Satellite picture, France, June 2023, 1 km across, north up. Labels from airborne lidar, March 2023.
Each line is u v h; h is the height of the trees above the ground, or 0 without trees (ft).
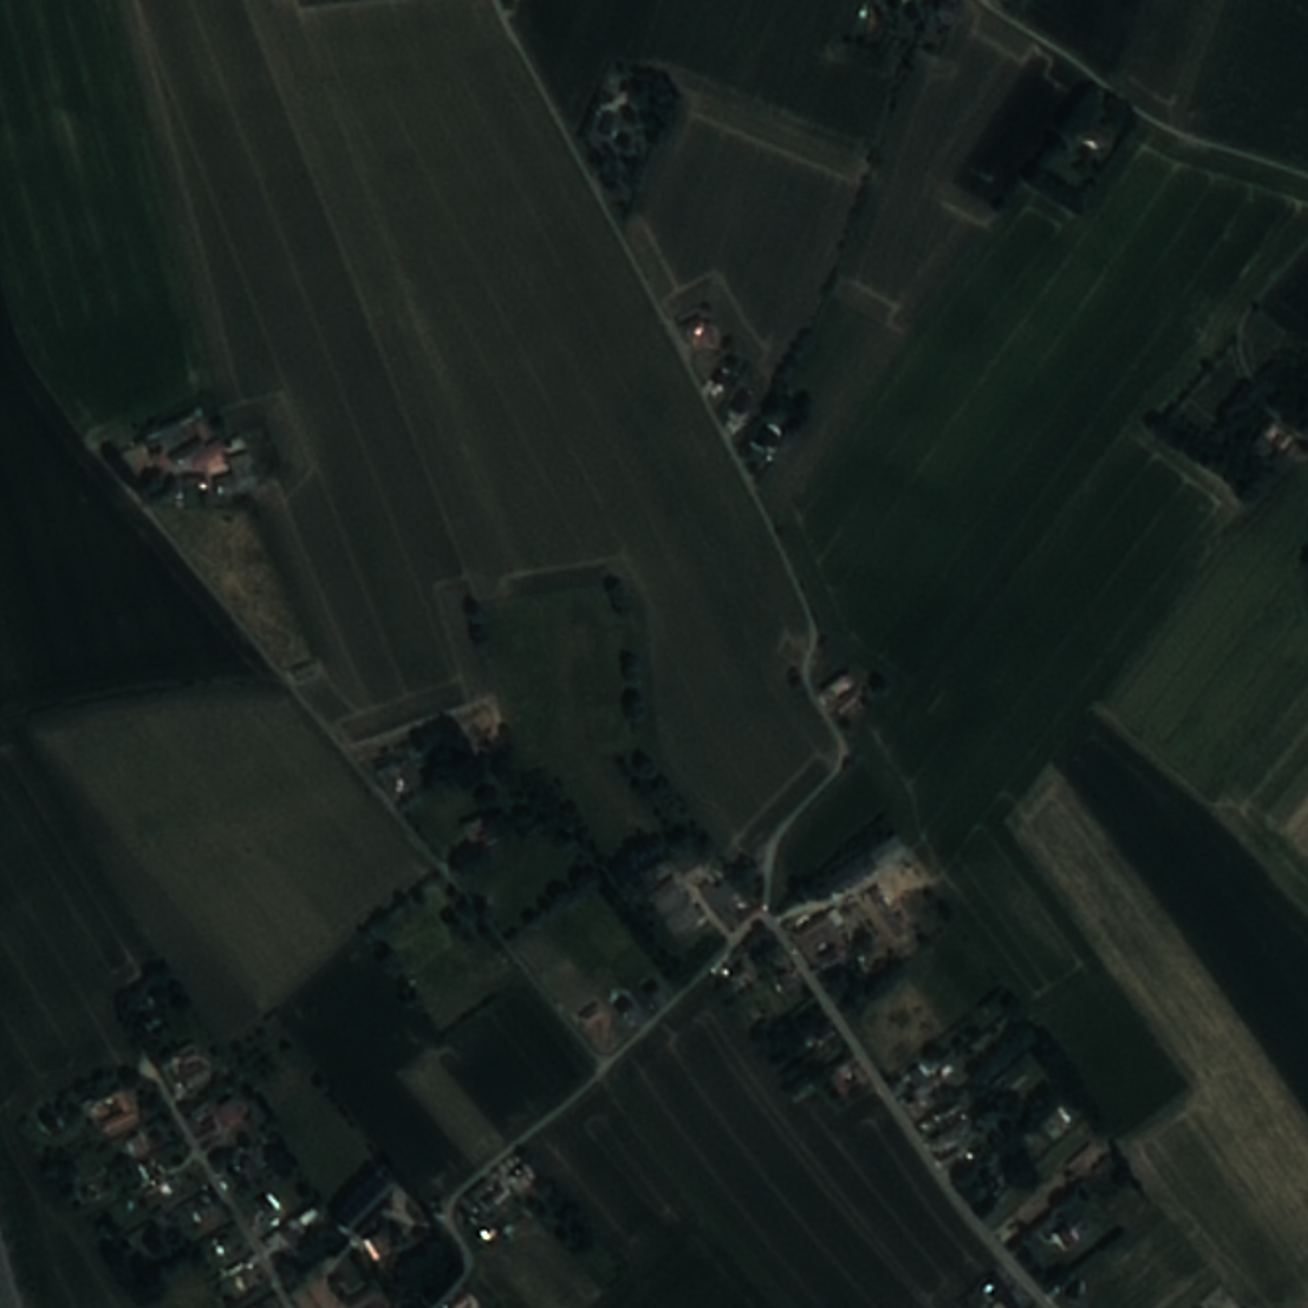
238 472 0
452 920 58
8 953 0
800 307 0
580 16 0
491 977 0
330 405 0
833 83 0
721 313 0
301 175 0
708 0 0
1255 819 0
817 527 0
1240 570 0
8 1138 0
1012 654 0
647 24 0
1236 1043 0
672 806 38
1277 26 0
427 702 0
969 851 0
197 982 0
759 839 0
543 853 0
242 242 0
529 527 0
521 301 0
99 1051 0
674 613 0
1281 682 0
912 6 31
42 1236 0
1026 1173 78
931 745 0
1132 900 0
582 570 0
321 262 0
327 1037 0
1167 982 0
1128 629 0
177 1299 0
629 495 0
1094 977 0
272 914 0
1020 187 0
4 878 0
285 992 0
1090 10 0
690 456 0
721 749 0
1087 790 0
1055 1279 49
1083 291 0
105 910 0
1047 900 0
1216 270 0
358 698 0
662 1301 0
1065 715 0
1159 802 0
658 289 0
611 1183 0
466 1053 0
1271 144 0
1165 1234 0
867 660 0
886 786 0
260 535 0
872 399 0
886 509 0
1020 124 0
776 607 0
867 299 0
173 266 0
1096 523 0
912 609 0
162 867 0
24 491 0
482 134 0
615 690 0
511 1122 0
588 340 0
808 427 0
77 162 0
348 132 0
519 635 0
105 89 0
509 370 0
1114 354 0
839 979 54
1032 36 0
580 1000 0
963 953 0
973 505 0
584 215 0
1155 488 0
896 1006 0
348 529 0
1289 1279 0
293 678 0
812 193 0
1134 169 0
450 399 0
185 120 0
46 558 0
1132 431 0
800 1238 0
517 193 0
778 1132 0
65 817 0
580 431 0
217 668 0
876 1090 0
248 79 0
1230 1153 0
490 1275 0
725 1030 0
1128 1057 0
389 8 0
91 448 0
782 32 0
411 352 0
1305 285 0
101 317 0
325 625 0
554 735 0
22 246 0
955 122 0
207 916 0
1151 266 0
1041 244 0
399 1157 0
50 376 0
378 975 0
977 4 0
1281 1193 0
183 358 0
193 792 0
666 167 0
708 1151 0
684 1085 0
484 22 0
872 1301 0
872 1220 0
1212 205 0
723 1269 0
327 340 0
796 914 0
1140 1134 0
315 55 0
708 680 0
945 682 0
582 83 0
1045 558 0
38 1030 0
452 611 0
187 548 0
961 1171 52
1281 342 0
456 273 0
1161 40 0
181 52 0
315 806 0
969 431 0
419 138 0
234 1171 48
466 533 0
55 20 0
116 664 0
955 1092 37
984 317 0
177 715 0
